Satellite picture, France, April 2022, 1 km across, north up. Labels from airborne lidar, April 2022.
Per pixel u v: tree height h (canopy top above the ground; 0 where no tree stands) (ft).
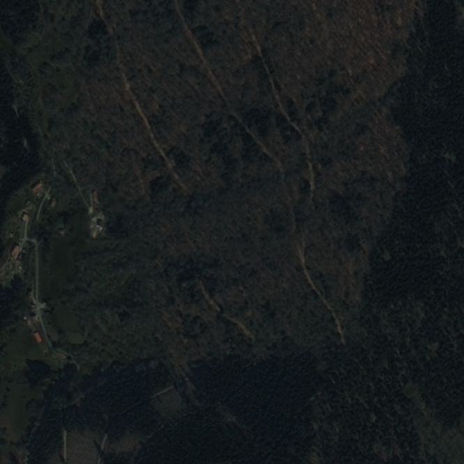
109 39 23
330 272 62
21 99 97
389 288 107
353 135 81
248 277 85
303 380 90
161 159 97
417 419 105
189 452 19
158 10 54
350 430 87
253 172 58
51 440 94
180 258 37
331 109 57
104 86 107
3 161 69
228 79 23
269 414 77
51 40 33
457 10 87
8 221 76
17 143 40
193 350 93
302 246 60
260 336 87
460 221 51
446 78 86
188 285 95
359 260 73
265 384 89
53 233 59
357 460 115
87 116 92
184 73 71
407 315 86
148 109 79
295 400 73
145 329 60
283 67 52
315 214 73
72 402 72
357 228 73
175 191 122
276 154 84
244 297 91
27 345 0
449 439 67
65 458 0
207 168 90
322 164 27
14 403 0
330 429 73
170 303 92
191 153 97
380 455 74
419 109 65
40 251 0
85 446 0
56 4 74
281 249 83
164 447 29
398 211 90
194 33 80
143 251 74
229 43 85
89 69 69
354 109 71
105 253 35
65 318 0
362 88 85
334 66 86
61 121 36
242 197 88
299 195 39
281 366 87
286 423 84
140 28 78
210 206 104
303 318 78
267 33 55
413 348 75
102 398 94
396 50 72
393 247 61
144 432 80
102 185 83
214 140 89
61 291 0
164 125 91
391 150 88
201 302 97
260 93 61
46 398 33
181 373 0
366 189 84
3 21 100
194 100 86
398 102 73
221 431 33
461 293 108
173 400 0
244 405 84
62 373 47
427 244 82
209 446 34
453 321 117
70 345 33
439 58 91
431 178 106
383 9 73
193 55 68
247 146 75
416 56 64
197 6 92
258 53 35
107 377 90
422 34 84
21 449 64
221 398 87
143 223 107
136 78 94
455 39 91
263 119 83
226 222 91
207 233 93
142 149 89
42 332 0
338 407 91
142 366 77
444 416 37
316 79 61
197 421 26
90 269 56
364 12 88
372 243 64
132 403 99
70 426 87
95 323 49
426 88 98
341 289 81
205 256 100
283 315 89
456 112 94
